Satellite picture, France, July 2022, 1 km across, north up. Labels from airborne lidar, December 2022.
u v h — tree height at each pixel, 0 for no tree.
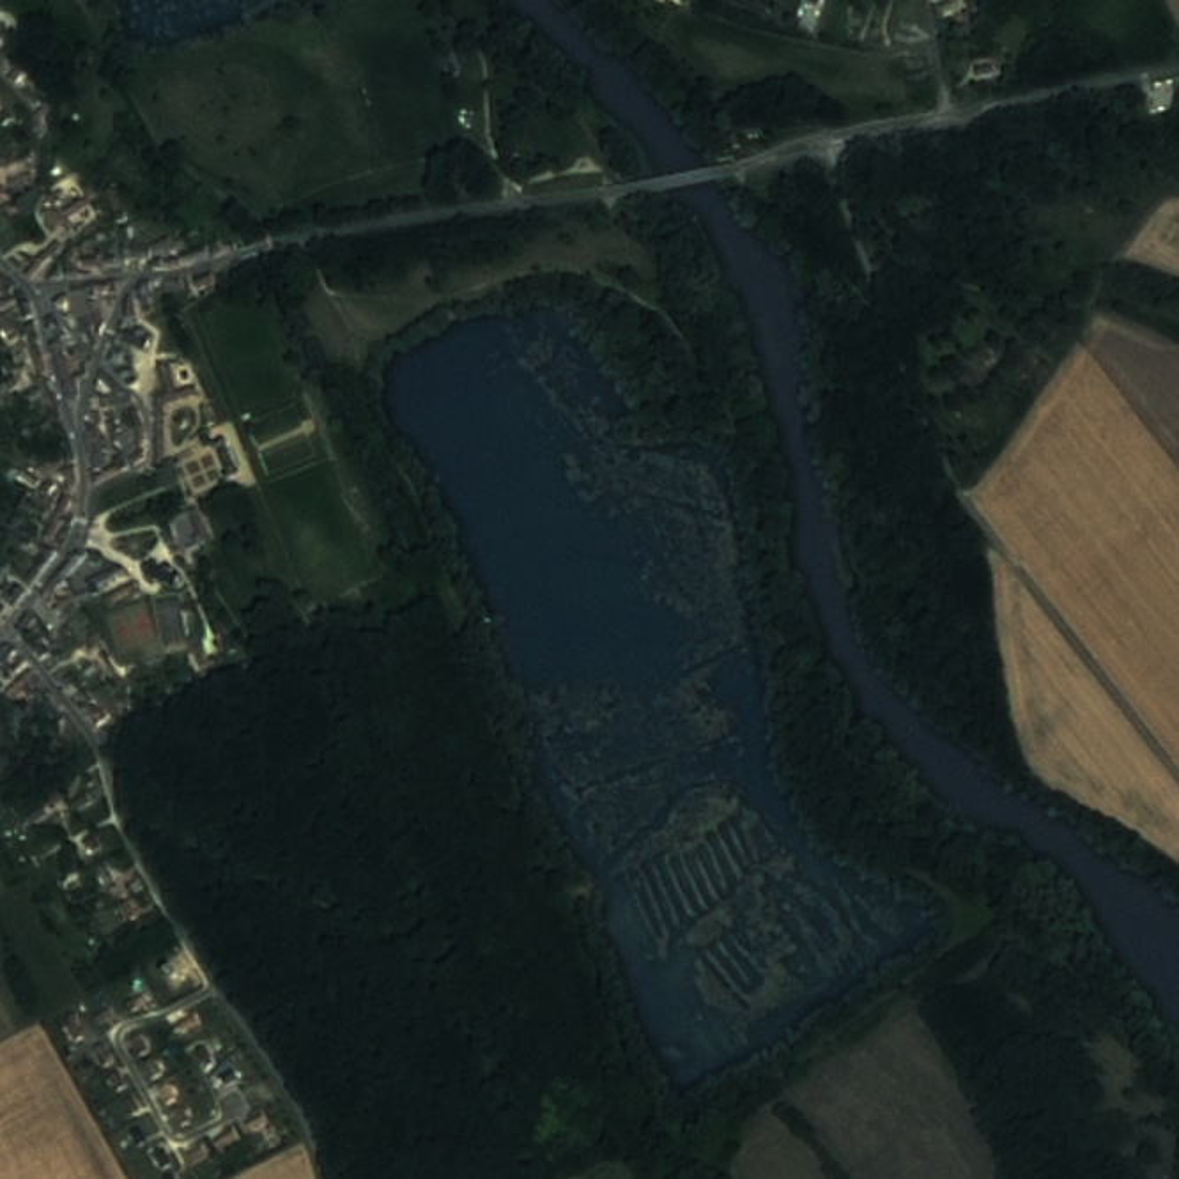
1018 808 0
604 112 0
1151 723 0
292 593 18
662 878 0
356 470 0
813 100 20
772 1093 14
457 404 0
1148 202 0
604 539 0
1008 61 12
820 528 0
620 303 22
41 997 0
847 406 21
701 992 0
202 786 26
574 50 0
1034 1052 22
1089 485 0
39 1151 0
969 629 15
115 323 0
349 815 25
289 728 26
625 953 0
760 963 0
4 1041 0
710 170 0
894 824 10
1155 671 0
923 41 0
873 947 0
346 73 0
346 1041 24
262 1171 0
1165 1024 0
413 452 18
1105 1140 6
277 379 0
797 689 22
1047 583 0
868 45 11
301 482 0
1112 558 0
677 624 0
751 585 12
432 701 26
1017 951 17
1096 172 6
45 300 0
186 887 23
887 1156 0
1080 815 8
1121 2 0
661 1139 19
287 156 0
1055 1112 6
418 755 23
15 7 0
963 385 20
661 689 0
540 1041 23
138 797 19
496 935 22
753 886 0
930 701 20
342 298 0
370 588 0
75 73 12
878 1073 0
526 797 8
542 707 0
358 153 0
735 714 0
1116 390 0
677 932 0
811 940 0
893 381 19
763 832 0
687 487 0
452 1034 25
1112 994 12
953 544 17
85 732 0
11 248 0
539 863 12
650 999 0
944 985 10
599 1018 16
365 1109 26
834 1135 0
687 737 0
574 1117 17
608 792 0
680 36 0
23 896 0
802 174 9
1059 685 0
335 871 27
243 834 27
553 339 0
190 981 0
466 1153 24
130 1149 7
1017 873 15
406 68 0
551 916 17
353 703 24
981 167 20
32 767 14
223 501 22
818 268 18
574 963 17
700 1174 21
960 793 0
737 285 0
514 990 24
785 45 0
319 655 25
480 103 0
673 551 0
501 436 0
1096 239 0
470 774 25
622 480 0
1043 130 11
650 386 17
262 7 0
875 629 25
